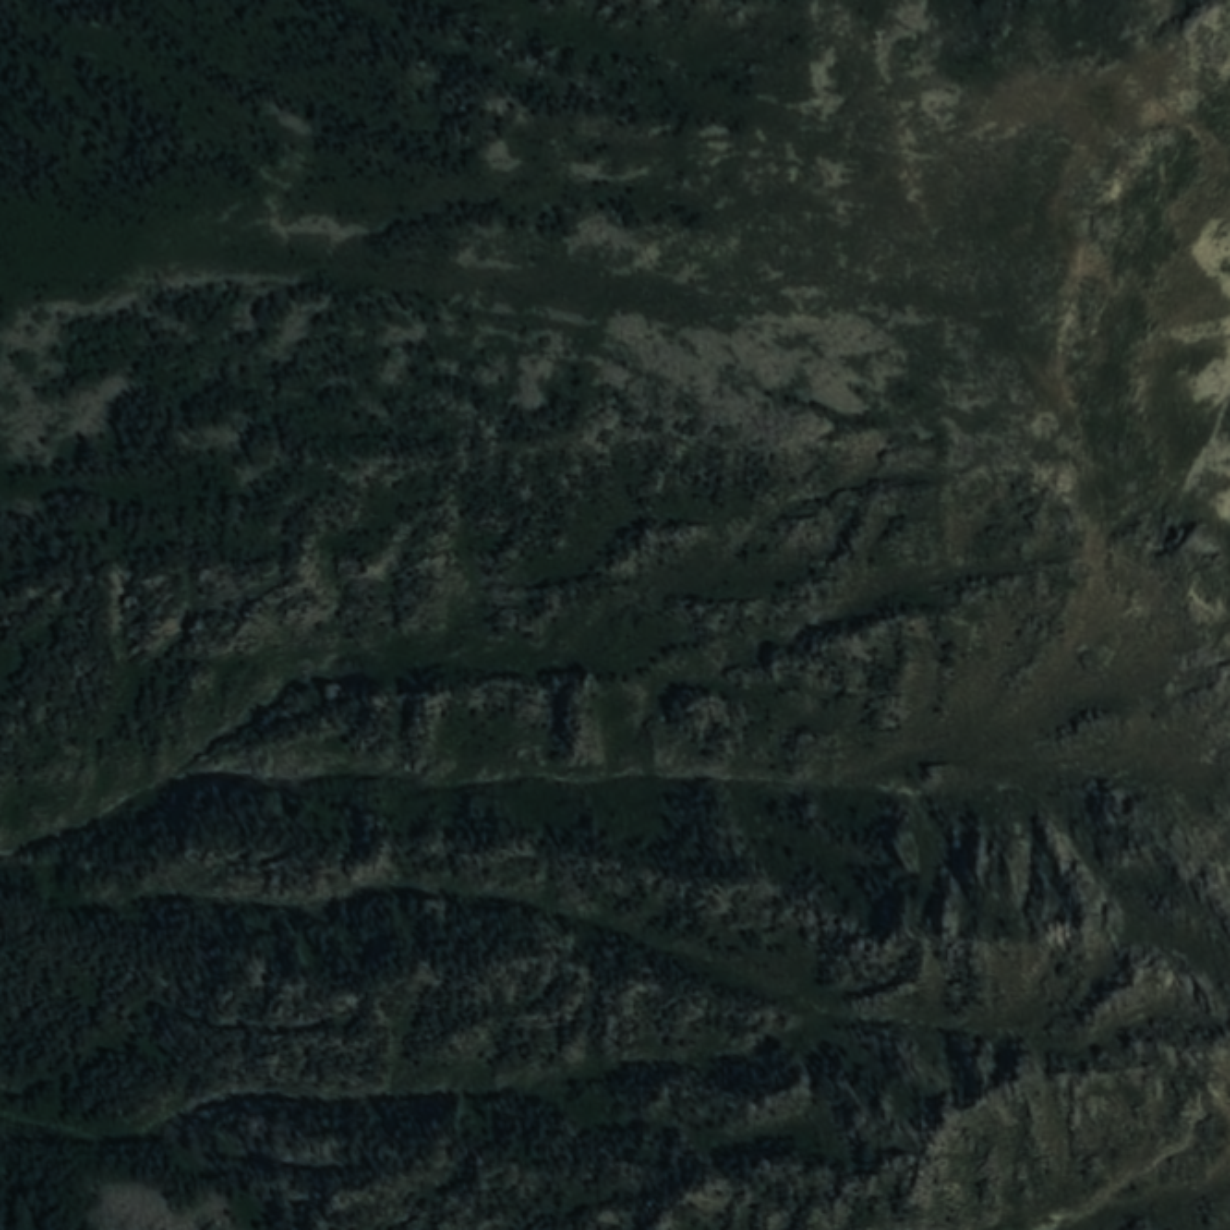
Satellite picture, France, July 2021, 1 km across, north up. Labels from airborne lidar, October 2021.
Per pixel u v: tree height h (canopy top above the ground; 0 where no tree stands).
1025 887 0
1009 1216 0
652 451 7
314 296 7
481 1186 12
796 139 0
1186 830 0
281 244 0
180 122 9
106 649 8
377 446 6
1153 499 0
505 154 0
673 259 0
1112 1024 0
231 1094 8
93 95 10
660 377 0
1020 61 0
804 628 0
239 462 8
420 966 6
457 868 13
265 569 11
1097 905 0
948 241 0
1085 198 0
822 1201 13
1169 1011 0
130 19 8
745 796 0
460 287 0
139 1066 22
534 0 7
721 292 0
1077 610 0
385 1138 9
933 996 0
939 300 0
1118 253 0
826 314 0
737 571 0
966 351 0
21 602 16
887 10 0
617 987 10
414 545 7
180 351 10
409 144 9
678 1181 9
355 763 0
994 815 0
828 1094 11
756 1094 12
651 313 0
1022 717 0
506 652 0
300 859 11
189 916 12
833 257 0
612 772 0
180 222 0
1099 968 0
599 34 0
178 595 12
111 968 14
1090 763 0
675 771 0
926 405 0
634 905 11
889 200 0
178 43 9
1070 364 0
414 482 7
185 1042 10
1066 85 0
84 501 9
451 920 10
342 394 8
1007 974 0
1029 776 0
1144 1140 0
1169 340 0
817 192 0
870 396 0
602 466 7
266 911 12
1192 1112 0
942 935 0
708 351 0
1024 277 0
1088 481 0
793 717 0
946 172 0
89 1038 21
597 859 10
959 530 0
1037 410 0
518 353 0
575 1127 9
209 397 8
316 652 0
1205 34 0
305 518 11
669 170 0
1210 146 0
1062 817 0
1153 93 0
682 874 8
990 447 0
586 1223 13
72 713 12
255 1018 11
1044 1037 0
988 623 0
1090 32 0
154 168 14
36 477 11
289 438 13
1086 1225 0
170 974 13
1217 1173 0
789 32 0
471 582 0
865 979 8
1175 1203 0
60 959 11
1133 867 0
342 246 0
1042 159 0
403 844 14
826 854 0
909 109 0
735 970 0
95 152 11
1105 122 0
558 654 0
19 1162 14
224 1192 13
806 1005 0
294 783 0
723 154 0
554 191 0
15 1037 15
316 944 10
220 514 9
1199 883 0
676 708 14
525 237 0
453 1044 7
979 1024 0
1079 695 0
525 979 9
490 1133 9
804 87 0
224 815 13
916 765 0
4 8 15
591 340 0
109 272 0
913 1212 9
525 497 6
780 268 0
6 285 0
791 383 0
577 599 6
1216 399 0
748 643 0
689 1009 8
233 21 7
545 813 0
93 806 0
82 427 0
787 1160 8
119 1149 11
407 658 0
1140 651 0
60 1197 22
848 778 0
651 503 7
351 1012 12
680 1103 10
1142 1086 0
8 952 17
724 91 0
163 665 14
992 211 0
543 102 6
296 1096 0
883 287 0
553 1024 12
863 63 0
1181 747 0
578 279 0
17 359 11
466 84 8
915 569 0
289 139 0
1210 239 0
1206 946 0
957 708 0
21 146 15
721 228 0
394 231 10
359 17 11
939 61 0
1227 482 0
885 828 10
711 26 0
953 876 0
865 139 0
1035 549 0
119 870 11
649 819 0
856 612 0
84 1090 10
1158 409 0
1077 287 0
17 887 13
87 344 16
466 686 7
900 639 7
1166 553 0
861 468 0
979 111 0
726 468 9
